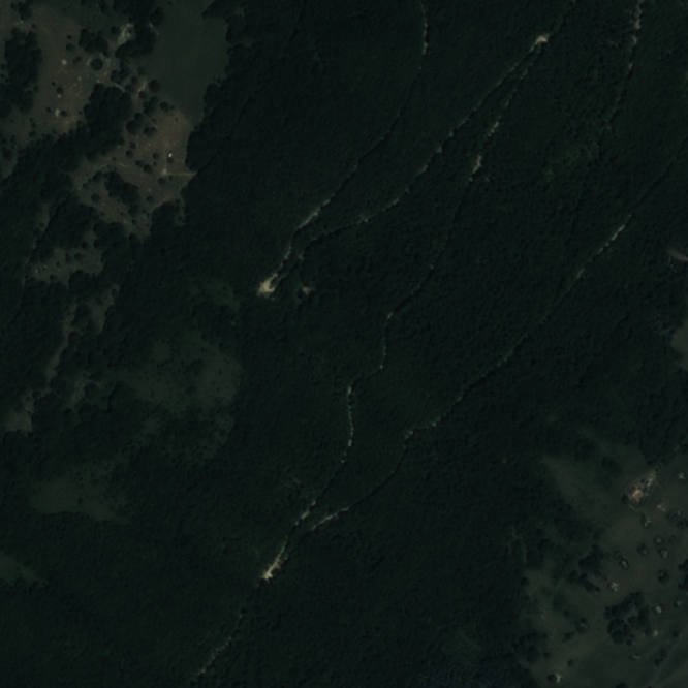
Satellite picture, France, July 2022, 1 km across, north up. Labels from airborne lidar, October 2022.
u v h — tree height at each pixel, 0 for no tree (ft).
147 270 38
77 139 46
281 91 68
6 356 55
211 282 19
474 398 83
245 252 52
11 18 0
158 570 62
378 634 81
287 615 51
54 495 0
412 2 67
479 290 65
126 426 59
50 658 78
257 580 30
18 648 60
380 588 86
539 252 54
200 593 67
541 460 27
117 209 0
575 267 65
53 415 46
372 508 89
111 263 28
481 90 61
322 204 26
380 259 43
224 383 0
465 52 50
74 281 45
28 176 59
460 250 60
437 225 52
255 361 63
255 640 31
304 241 79
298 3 61
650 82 40
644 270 64
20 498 76
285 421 75
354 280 97
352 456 56
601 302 69
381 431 44
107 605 54
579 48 70
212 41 0
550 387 75
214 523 61
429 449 57
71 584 45
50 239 29
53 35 0
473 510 76
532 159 69
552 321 67
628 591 0
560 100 74
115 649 61
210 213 64
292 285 72
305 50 55
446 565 80
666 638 0
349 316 55
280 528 57
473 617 47
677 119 28
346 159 51
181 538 31
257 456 68
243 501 68
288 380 56
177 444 43
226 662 60
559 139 73
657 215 51
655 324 68
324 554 65
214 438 32
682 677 0
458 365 22
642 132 73
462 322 51
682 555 0
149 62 0
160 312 37
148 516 37
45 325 57
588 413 23
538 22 62
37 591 41
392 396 49
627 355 51
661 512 0
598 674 0
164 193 0
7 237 68
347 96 59
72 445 46
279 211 50
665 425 76
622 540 0
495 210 72
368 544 73
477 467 86
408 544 92
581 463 22
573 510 55
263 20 49
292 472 74
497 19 63
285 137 65
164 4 0
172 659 55
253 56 31
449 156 59
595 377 68
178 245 47
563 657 0
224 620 43
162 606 71
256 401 48
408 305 77
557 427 36
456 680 85
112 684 73
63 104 0
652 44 45
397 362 56
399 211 62
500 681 79
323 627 86
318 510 64
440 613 94
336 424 57
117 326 45
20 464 61
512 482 76
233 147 56
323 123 51
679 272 30
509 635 57
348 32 57
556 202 65
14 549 57
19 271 71
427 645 79
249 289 69
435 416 51
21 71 54
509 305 67
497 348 66
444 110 51
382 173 55
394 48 68
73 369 48
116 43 0
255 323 89
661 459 49
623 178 33
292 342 91
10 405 61
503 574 85
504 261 64
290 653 91
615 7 63
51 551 63
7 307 65
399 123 39
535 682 61
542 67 68
